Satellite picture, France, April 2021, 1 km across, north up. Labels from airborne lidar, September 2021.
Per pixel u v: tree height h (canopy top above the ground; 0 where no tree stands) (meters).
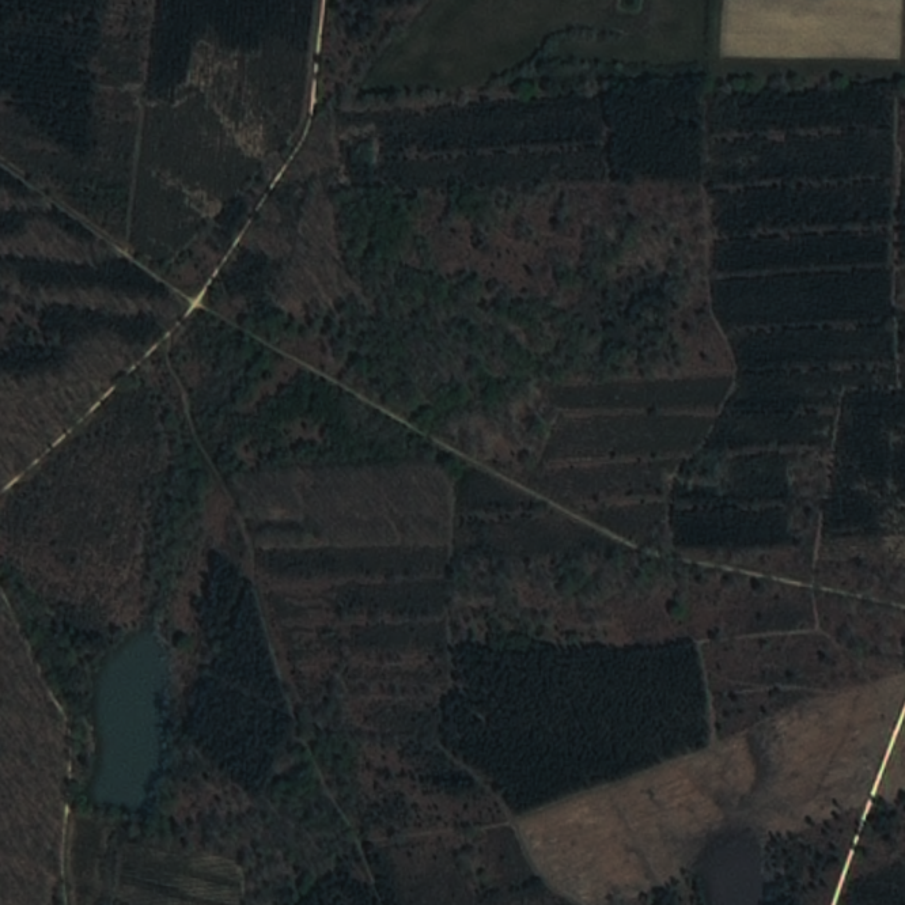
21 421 23
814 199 9
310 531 12
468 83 0
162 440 11
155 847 17
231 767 20
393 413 13
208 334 11
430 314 15
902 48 0
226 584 23
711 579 10
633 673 17
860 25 0
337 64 8
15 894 26
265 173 16
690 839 0
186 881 0
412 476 24
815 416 10
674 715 15
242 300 13
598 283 12
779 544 9
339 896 9
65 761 23
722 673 13
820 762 0
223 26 9
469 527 6
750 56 0
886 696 0
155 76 9
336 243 22
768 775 0
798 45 0
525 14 0
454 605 14
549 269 13
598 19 0
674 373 11
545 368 17
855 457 10
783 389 6
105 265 20
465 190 11
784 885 12
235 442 10
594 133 9
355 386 11
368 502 26
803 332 10
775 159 8
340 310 17
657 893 6
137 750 0
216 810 10
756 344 7
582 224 10
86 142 11
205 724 23
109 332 17
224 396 6
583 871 0
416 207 15
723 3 0
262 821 14
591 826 0
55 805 25
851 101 11
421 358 22
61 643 22
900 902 7
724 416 7
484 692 19
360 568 7
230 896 0
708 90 16
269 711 17
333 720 13
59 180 9
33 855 25
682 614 13
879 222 12
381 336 19
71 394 20
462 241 10
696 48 0
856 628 10
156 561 14
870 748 0
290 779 14
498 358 17
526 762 17
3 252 22
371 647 8
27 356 18
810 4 0
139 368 17
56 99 15
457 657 17
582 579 20
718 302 8
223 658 17
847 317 9
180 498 17
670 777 0
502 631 10
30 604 21
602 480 0
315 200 18
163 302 13
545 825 0
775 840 11
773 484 8
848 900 7
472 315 20
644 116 22
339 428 14
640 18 0
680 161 23
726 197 8
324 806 16
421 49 0
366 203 18
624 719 17
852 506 8
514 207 14
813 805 0
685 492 7
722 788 0
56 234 20
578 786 17
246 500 16
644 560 16
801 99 12
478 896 10
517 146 10
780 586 10
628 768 14
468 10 0
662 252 17
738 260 7
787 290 8
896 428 7
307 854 19
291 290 23
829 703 0
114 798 0
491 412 19
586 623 17
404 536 19
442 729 11
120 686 0
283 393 13
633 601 11
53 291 17
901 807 11
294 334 12
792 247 10
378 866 15
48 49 13
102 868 8
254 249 22
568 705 18
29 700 24
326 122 18
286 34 8
